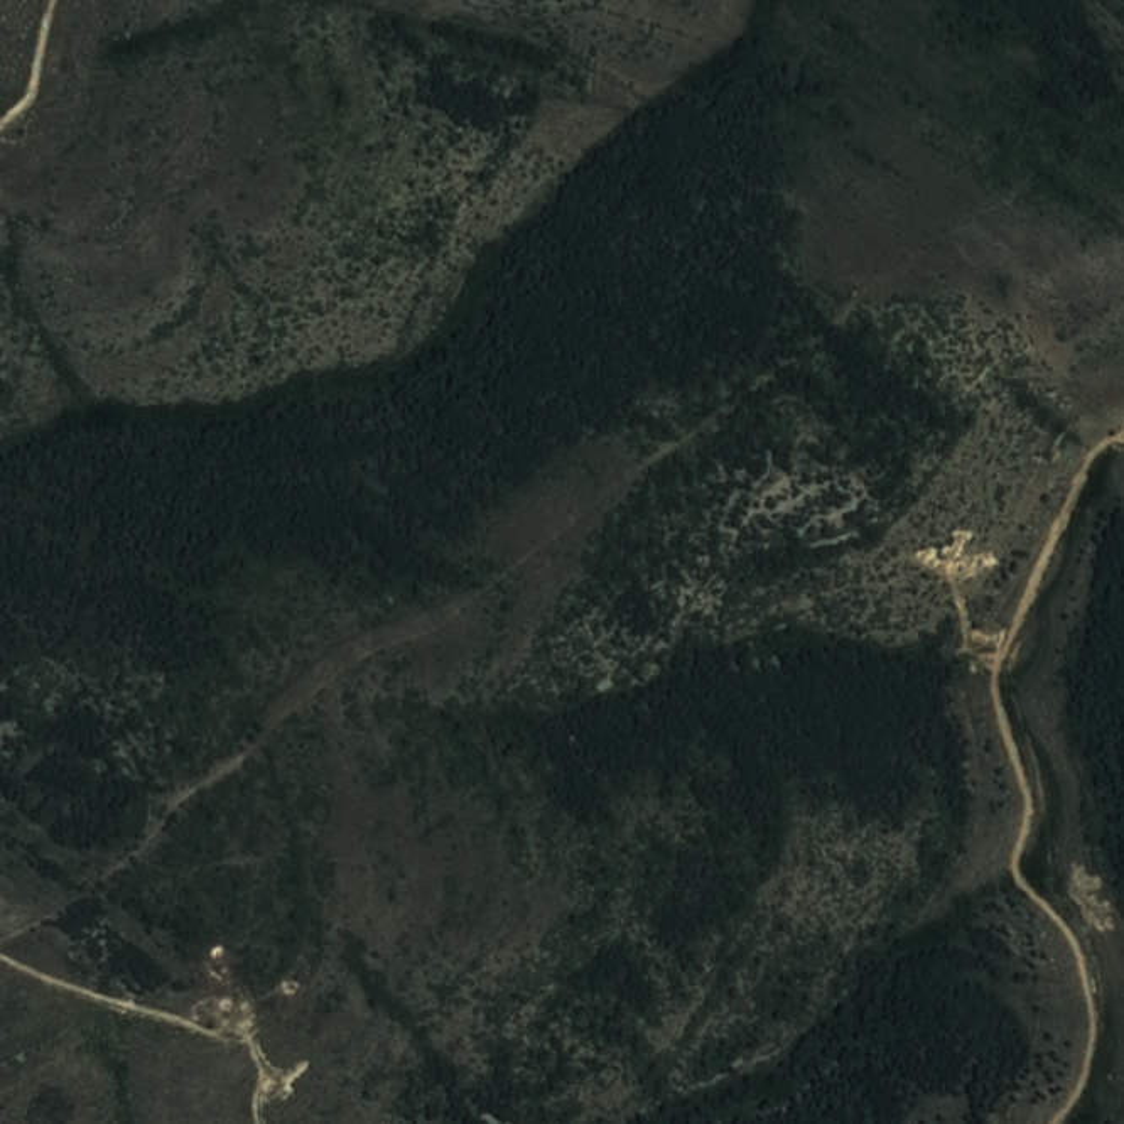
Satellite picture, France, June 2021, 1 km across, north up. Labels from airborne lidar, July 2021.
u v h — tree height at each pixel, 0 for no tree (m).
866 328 7
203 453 10
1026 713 0
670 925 8
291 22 0
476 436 9
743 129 9
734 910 7
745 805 6
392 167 0
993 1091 9
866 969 10
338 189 0
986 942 6
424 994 0
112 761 6
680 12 0
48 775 8
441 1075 11
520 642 0
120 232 0
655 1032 0
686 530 7
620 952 7
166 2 0
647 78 0
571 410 9
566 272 12
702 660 10
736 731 11
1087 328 0
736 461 6
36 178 0
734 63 9
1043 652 0
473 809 0
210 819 7
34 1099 0
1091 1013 0
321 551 9
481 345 8
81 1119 0
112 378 0
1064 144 5
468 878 0
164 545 10
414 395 10
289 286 0
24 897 0
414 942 0
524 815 0
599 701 11
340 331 0
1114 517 10
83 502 9
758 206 7
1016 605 0
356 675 0
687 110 11
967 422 10
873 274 0
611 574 6
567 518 0
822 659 11
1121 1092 0
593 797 8
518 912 0
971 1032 14
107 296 0
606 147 6
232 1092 0
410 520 8
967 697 0
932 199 0
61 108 0
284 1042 0
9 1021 0
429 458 8
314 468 9
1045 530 0
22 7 0
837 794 7
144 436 10
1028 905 0
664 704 7
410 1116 7
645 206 9
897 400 6
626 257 8
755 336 9
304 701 0
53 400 0
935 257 0
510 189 0
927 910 0
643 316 9
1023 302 0
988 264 0
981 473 0
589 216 11
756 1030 7
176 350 0
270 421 10
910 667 11
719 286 7
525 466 7
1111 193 0
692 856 7
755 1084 12
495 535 0
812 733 11
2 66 0
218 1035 0
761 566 9
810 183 0
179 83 0
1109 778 7
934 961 14
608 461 0
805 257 0
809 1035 12
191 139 0
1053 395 0
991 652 0
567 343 10
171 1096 0
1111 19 0
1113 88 6
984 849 0
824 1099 14
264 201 0
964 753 10
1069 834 0
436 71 6
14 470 8
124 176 0
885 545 0
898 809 7
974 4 7
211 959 0
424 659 0
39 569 8
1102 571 10
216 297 0
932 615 0
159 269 0
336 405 7
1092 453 0
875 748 10
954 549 0
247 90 0
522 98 7
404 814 0
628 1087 0
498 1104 9
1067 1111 0
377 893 0
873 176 0
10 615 6
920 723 11
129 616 8
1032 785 0
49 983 0
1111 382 0
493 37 7
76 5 0
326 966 0
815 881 0
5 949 0
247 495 10
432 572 7
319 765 0
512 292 8
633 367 7
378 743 0
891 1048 11
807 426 0
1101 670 10
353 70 0
